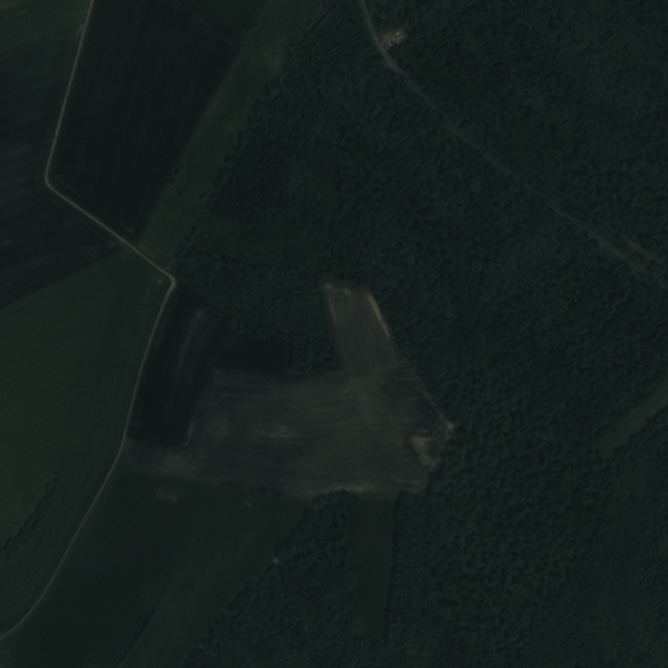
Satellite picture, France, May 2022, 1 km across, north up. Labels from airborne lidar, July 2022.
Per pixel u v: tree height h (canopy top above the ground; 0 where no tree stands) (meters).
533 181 21
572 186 28
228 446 0
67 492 0
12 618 0
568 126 23
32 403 0
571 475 21
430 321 23
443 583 23
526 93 22
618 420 20
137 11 0
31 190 0
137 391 0
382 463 0
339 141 13
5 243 0
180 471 0
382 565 0
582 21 23
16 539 11
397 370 0
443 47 14
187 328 0
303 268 8
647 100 27
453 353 23
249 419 0
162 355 0
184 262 15
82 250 0
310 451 0
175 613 0
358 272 14
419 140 14
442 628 28
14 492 0
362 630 0
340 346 0
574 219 13
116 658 0
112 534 0
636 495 22
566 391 24
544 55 26
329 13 27
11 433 0
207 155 0
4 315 0
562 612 18
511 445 19
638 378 20
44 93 0
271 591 18
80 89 0
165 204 0
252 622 20
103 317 0
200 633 0
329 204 15
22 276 0
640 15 15
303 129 30
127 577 0
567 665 19
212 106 0
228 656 25
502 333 24
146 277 0
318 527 22
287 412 0
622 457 21
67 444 0
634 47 19
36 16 0
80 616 0
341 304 0
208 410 0
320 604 26
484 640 20
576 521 17
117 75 0
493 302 21
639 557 21
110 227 0
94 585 0
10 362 0
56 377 0
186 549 0
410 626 23
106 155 0
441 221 32
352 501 20
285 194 15
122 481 0
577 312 30
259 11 0
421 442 0
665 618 22
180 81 0
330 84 24
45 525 0
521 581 13
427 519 14
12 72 0
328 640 28
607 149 38
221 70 0
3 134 0
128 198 0
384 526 0
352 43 7
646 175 31
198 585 0
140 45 0
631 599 21
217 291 18
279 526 0
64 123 0
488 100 21
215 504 0
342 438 0
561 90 21
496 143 9
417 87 16
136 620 0
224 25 0
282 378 0
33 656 0
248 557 0
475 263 34
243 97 0
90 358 0
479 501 22
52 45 0
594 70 27
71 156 0
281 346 0
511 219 30
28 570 0
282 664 27
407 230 27
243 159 23
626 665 24
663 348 25
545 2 27
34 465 0
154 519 0
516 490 10
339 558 9
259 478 0
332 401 0
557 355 27
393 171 32
